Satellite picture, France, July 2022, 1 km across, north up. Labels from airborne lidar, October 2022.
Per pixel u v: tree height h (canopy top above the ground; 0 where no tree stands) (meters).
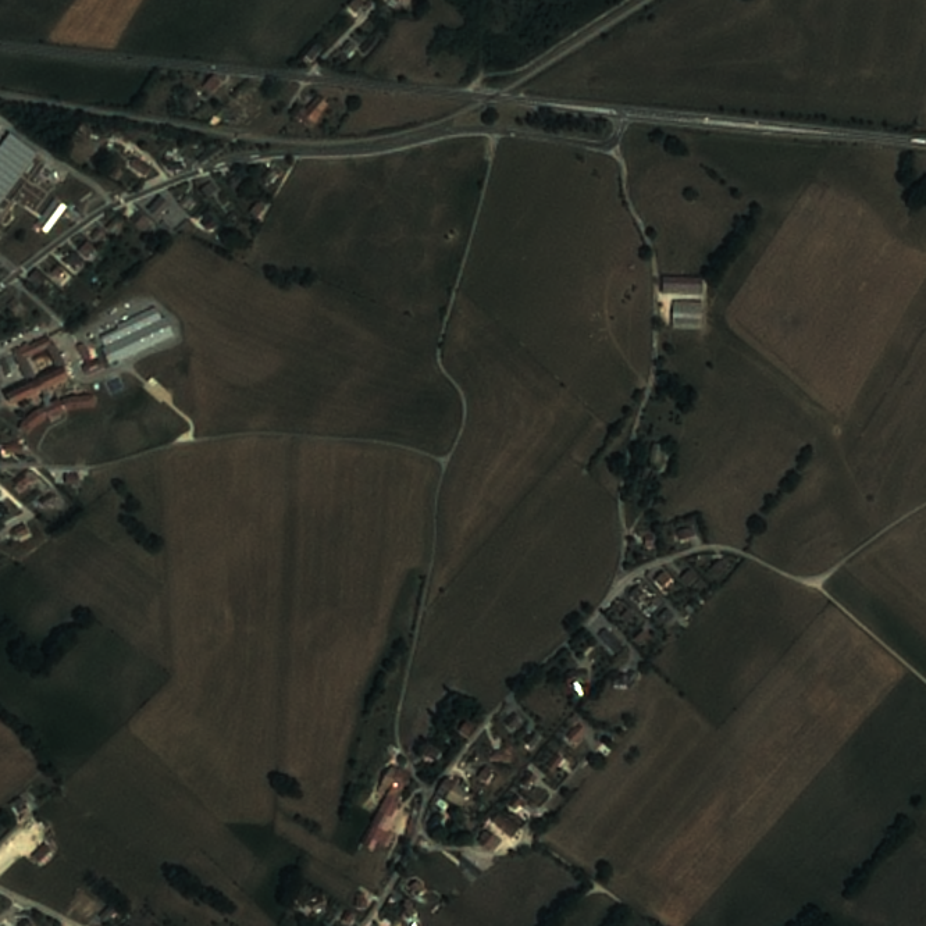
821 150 0
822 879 0
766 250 0
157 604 0
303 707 0
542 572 0
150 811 0
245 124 0
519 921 0
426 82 0
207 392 0
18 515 0
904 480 0
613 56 0
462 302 0
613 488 0
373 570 0
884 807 0
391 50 0
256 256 0
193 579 0
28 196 0
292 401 0
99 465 0
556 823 10
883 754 0
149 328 0
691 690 0
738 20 0
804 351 0
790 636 0
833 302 0
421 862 18
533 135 0
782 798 0
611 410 0
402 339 0
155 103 0
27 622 0
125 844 0
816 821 0
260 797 0
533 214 0
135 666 0
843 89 0
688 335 0
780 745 0
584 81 0
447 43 17
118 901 21
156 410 0
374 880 0
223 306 0
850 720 0
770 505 14
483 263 0
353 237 0
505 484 0
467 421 0
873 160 0
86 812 0
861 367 0
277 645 0
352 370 0
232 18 0
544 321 0
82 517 17
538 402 0
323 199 0
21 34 0
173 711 0
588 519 0
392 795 0
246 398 0
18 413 10
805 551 0
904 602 0
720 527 0
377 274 0
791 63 0
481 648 0
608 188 0
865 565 0
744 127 0
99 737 0
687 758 0
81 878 0
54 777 10
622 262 0
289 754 0
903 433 0
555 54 0
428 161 0
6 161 0
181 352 0
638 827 0
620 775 0
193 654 0
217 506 0
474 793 9
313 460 0
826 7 0
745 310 0
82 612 13
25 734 19
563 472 0
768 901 0
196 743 0
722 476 0
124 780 0
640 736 0
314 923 17
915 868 0
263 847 0
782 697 0
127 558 0
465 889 0
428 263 0
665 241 0
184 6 0
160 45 0
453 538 0
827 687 0
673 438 7
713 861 0
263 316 0
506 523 0
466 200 0
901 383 0
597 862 0
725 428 0
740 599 0
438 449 0
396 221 0
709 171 9
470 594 0
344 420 0
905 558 0
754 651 0
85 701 0
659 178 0
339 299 0
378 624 0
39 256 0
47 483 0
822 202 0
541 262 0
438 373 0
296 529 0
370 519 0
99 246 13
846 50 0
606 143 0
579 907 13
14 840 0
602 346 0
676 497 0
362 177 0
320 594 0
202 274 0
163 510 0
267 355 0
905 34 0
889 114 0
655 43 0
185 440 0
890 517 0
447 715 17
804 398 0
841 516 0
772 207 0
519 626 0
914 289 0
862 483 0
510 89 0
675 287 0
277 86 18
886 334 0
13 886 0
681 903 0
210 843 0
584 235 0
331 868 0
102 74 0
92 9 0
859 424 0
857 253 0
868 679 0
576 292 0
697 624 0
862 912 0
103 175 10
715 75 0
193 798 0
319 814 0
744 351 0
